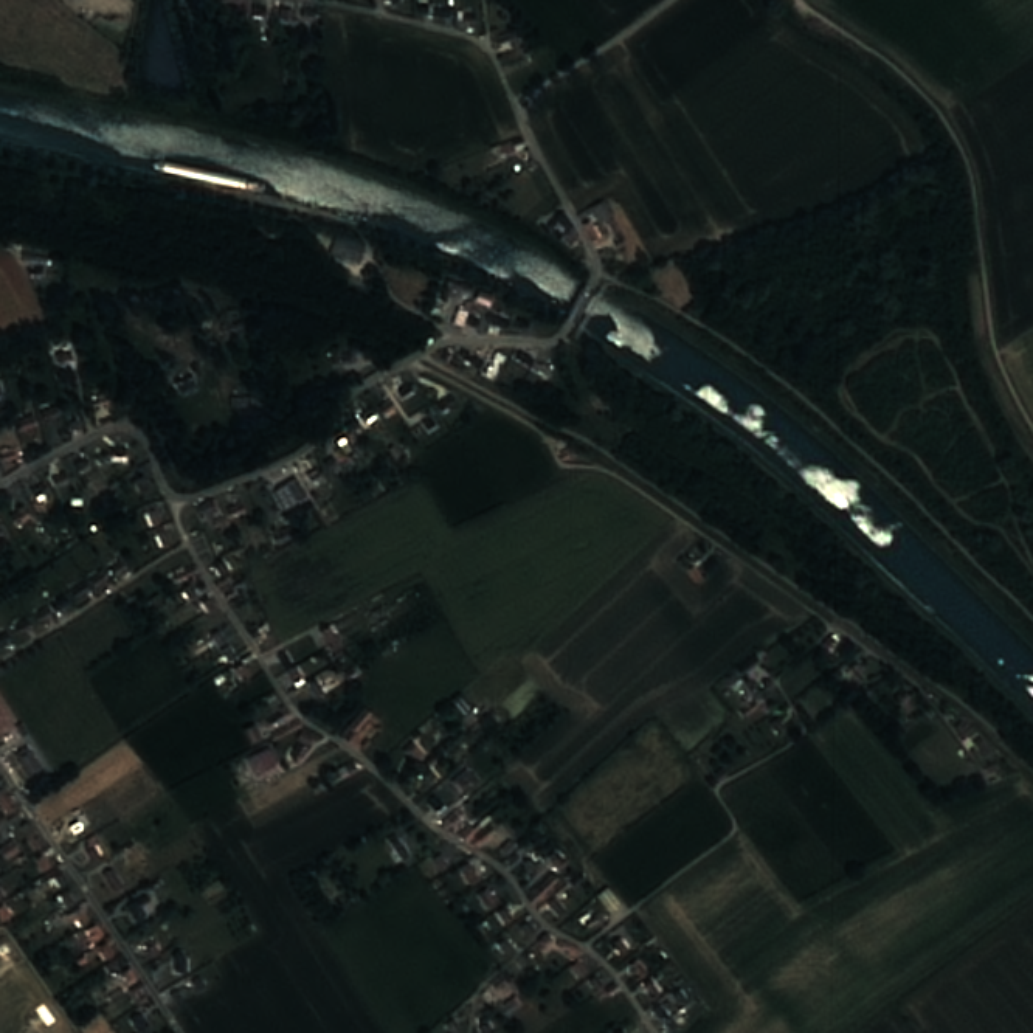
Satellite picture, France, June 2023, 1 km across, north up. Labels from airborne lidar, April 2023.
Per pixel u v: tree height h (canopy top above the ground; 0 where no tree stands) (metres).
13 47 0
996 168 0
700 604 0
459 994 0
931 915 0
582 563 0
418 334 8
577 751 0
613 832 0
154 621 9
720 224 0
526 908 0
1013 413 0
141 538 6
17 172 8
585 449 7
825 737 0
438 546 0
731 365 0
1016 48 0
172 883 0
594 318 0
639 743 0
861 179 0
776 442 0
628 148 0
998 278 0
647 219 0
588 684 0
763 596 0
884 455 7
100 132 0
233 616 0
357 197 0
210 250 17
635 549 0
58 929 0
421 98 0
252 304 20
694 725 0
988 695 12
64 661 0
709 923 0
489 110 0
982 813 0
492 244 0
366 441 8
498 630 0
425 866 0
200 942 0
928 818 0
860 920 0
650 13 0
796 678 0
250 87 0
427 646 0
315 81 13
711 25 0
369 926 0
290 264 12
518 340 0
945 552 0
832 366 8
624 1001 0
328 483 0
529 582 0
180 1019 0
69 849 0
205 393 0
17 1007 0
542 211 0
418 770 12
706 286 7
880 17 0
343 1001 0
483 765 0
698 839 0
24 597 0
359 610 0
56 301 18
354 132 0
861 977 0
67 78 0
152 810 0
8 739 0
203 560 0
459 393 0
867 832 0
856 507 0
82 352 9
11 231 15
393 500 0
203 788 0
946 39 0
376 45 0
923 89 0
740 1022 0
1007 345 0
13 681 0
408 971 0
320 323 28
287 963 0
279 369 20
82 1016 15
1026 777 0
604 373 13
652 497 0
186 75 9
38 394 8
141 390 24
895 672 15
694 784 0
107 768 0
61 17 0
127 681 0
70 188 11
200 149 0
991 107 0
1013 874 0
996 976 0
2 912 0
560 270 0
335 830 0
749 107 0
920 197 6
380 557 0
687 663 0
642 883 0
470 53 0
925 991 0
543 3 0
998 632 0
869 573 15
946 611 0
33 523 0
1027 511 16
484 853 0
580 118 0
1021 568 6
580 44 0
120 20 0
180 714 0
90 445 0
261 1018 0
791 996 0
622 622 0
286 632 0
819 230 12
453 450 0
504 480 0
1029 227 0
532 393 16
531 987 12
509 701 0
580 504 0
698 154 0
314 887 8
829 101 0
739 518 6
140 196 12
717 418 0
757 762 0
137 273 18
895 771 0
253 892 0
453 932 0
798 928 0
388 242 15
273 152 0
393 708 0
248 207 7
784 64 0
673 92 0
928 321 9
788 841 0
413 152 0
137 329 0
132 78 11
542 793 0
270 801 0
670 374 0
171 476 0
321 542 0
